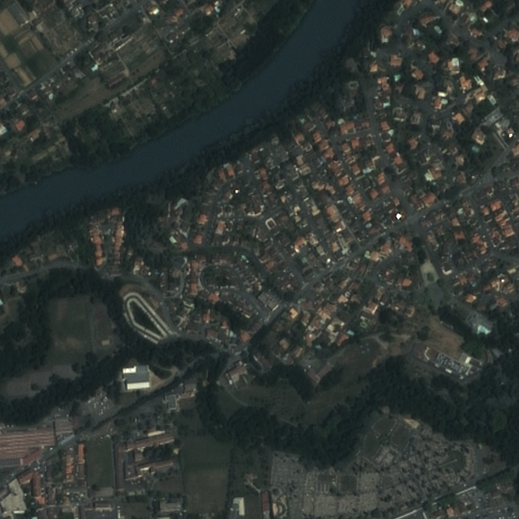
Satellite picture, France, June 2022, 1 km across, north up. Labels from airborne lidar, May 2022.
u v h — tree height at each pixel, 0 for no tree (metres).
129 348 20
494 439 18
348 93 0
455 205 11
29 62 0
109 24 0
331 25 0
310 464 19
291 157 6
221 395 0
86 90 0
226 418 10
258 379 6
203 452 0
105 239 9
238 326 15
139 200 13
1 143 6
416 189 12
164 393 11
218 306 17
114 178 0
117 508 0
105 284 20
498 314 10
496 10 9
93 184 0
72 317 0
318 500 0
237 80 24
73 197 0
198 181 10
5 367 23
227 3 8
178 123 12
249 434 17
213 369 15
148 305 0
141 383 0
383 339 8
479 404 23
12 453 0
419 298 10
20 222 0
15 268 10
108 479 0
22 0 7
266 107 0
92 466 0
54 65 0
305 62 0
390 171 12
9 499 0
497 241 0
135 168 0
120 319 30
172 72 10
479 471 0
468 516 0
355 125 0
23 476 0
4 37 0
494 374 15
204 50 6
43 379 0
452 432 24
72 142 29
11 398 0
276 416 12
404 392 17
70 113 0
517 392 25
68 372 0
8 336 15
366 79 8
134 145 9
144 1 0
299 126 8
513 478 27
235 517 0
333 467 18
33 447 0
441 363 0
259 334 16
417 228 0
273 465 0
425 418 19
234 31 0
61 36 0
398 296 7
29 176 17
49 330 16
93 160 25
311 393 12
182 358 11
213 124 0
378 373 15
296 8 33
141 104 0
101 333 0
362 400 13
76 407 14
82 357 0
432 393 6
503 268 15
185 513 8
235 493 8
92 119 9
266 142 11
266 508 0
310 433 23
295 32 0
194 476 0
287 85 0
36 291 10
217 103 9
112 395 16
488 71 14
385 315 17
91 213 18
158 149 0
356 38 20
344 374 12
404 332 0
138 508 0
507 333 13
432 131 7
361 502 0
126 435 7
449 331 0
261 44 34
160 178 21
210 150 17
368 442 0
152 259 22
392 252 0
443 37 9
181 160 0
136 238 21
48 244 6
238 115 0
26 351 9
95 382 14
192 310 7
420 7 0
